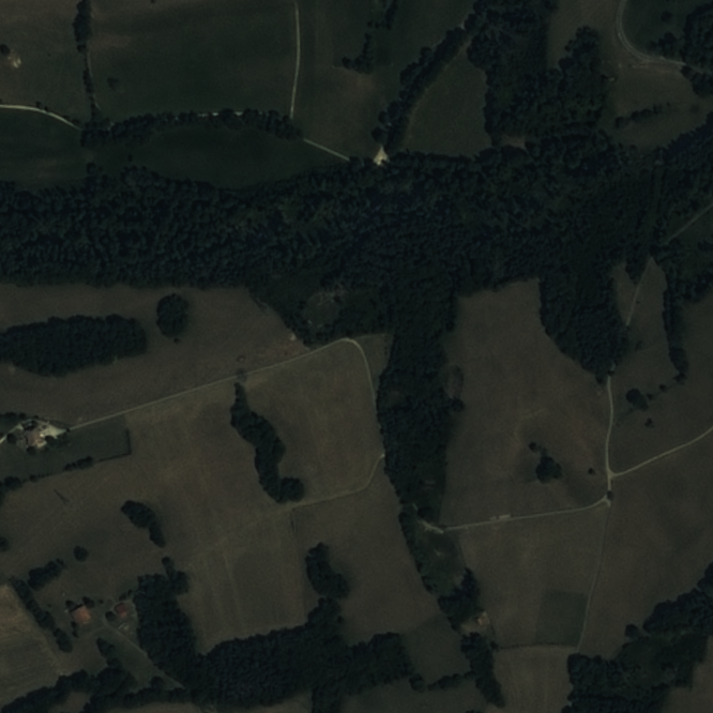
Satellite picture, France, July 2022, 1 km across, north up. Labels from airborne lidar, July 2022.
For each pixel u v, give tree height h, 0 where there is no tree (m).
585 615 0
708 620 22
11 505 0
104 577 0
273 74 0
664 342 0
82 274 21
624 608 0
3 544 6
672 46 24
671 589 0
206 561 0
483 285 20
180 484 0
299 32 0
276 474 20
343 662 21
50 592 0
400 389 28
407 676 16
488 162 27
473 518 0
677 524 0
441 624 0
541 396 0
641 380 0
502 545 0
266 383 0
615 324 27
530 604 0
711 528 0
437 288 26
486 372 0
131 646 0
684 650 6
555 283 25
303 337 7
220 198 19
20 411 0
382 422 14
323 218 0
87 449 0
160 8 0
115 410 0
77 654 0
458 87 0
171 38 0
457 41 26
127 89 0
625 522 0
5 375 0
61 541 0
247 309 0
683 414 0
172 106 0
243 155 0
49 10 0
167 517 0
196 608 0
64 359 22
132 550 0
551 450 0
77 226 29
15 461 0
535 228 0
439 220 27
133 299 0
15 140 0
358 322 12
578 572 0
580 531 0
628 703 24
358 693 19
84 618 0
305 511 0
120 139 23
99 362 16
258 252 23
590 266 9
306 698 0
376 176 25
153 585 17
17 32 0
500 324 0
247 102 0
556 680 0
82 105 0
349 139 0
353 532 0
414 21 0
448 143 0
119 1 0
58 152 0
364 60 17
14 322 0
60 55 0
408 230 22
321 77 0
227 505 0
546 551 0
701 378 0
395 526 0
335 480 0
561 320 24
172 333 11
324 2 0
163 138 0
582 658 20
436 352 25
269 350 0
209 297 0
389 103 0
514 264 17
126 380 0
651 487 0
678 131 0
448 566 0
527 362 0
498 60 28
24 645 0
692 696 0
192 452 0
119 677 24
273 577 0
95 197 25
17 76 0
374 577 0
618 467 0
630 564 0
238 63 0
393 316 20
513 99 0
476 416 0
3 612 0
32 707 25
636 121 11
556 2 18
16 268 16
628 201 14
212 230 20
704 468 0
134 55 0
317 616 16
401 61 0
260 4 0
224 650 17
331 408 0
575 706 14
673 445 0
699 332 0
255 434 25
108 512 0
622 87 0
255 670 22
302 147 0
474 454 0
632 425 0
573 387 0
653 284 0
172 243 17
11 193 26
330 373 0
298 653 25
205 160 0
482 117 0
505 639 0
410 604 0
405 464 23
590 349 23
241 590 0
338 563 0
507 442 0
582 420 0
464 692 0
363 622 0
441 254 35
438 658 0
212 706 14
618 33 0
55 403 0
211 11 0
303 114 0
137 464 0
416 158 17
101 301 0
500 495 0
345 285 17
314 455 0
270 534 0
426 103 0
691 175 25
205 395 0
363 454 0
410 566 0
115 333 18
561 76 19
